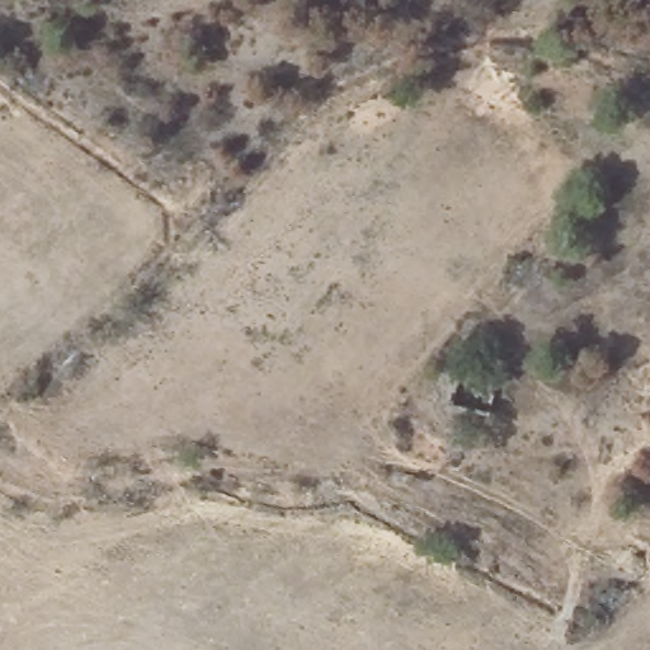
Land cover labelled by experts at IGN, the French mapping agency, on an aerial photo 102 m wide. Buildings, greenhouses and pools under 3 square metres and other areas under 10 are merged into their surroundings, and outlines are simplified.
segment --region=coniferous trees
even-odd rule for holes
[[[421,99],[424,91],[432,89],[421,71],[432,71],[434,63],[414,56],[411,74],[406,74],[399,84],[388,89],[388,99],[396,107],[411,107]]]
[[[592,86],[589,109],[594,112],[592,122],[597,132],[617,132],[627,122],[637,119],[630,104],[625,104],[617,96],[617,89],[609,91],[604,86]]]
[[[589,56],[584,46],[592,46],[594,51],[604,53],[607,46],[602,36],[612,28],[630,36],[632,43],[637,43],[642,36],[650,36],[650,0],[569,0],[574,8],[587,8],[592,28],[556,30],[554,25],[548,25],[541,36],[533,38],[531,51],[518,48],[523,53],[523,66],[536,76],[548,69],[564,69],[584,61]]]
[[[505,376],[505,371],[500,358],[495,358],[488,350],[485,340],[472,340],[467,335],[465,340],[454,333],[444,340],[439,353],[427,361],[424,373],[429,381],[437,381],[442,373],[447,373],[457,388],[465,388],[475,399],[493,404],[495,383]]]
[[[427,18],[404,23],[396,15],[391,0],[295,0],[292,25],[302,28],[302,36],[307,38],[307,56],[317,56],[317,51],[333,51],[333,43],[345,38],[350,41],[350,46],[358,46],[368,33],[388,38],[396,46],[396,51],[401,51],[404,46],[419,51],[424,41],[432,36],[434,23]]]
[[[38,18],[30,25],[30,30],[41,51],[41,58],[63,53],[63,33],[53,28],[46,18]]]
[[[523,0],[477,0],[475,5],[493,8],[498,18],[515,13]]]
[[[467,429],[454,419],[449,442],[460,444],[475,449],[490,444],[477,429]]]
[[[523,373],[538,371],[551,388],[561,394],[576,399],[597,394],[617,376],[614,368],[592,358],[587,350],[579,353],[571,371],[551,371],[551,340],[543,340],[528,345],[528,355],[523,358]]]
[[[269,104],[269,114],[264,119],[272,119],[279,132],[284,132],[300,119],[300,114],[307,112],[307,104],[322,104],[328,96],[333,96],[335,81],[333,76],[302,76],[295,63],[274,63],[262,69],[259,86]]]
[[[556,208],[551,223],[546,244],[556,246],[559,262],[579,264],[584,269],[594,264],[594,256],[571,246],[569,236],[571,223],[579,216],[594,218],[604,211],[597,201],[599,183],[581,168],[574,168],[554,196]]]
[[[211,84],[218,84],[213,66],[216,61],[226,58],[229,33],[221,25],[203,23],[203,18],[196,10],[180,10],[183,18],[170,20],[170,25],[163,33],[163,46],[147,48],[142,53],[145,58],[140,66],[145,76],[163,81],[165,91],[198,94],[206,91]]]

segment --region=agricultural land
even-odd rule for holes
[[[94,454],[140,454],[150,472],[165,465],[183,467],[180,452],[170,452],[180,437],[203,439],[213,434],[218,444],[234,452],[254,452],[272,457],[282,465],[292,465],[300,475],[320,480],[322,475],[350,475],[353,482],[373,485],[383,493],[391,490],[381,475],[381,465],[401,465],[409,470],[434,472],[449,457],[457,454],[460,444],[449,442],[454,419],[465,409],[452,401],[457,388],[447,373],[442,373],[437,381],[429,381],[424,373],[427,361],[439,353],[444,340],[454,333],[457,320],[465,312],[490,305],[495,287],[503,279],[508,256],[521,251],[518,246],[528,236],[528,231],[543,221],[551,223],[556,208],[554,196],[574,168],[559,152],[559,147],[554,152],[538,150],[538,127],[531,119],[531,112],[526,112],[521,104],[518,89],[513,86],[513,74],[498,71],[490,58],[482,58],[482,63],[475,69],[457,71],[452,89],[432,89],[424,91],[421,99],[411,107],[396,107],[388,99],[366,102],[350,122],[333,124],[317,117],[317,124],[302,132],[305,142],[284,150],[287,163],[282,168],[267,168],[254,173],[246,188],[244,206],[229,218],[223,218],[223,223],[218,226],[231,239],[231,246],[218,246],[218,251],[211,251],[206,244],[201,244],[193,251],[173,251],[173,264],[198,264],[201,269],[185,277],[183,282],[173,284],[168,289],[168,297],[152,305],[157,317],[150,322],[140,322],[135,328],[135,338],[119,338],[102,353],[102,358],[79,378],[76,391],[66,404],[63,414],[51,414],[41,399],[10,404],[0,401],[0,650],[650,650],[650,543],[645,543],[637,536],[637,526],[630,518],[612,518],[612,513],[604,505],[584,505],[581,518],[561,531],[559,551],[561,559],[569,564],[569,584],[564,594],[564,607],[556,614],[546,614],[533,607],[521,607],[500,592],[495,592],[490,584],[475,584],[452,564],[439,564],[429,556],[416,554],[414,546],[409,546],[404,554],[394,554],[388,548],[386,554],[381,554],[378,548],[361,548],[363,536],[340,536],[335,523],[355,518],[350,508],[338,508],[335,513],[320,510],[312,515],[272,515],[241,505],[208,503],[198,498],[198,493],[180,490],[160,495],[155,500],[155,508],[147,513],[132,508],[124,515],[76,513],[63,523],[53,523],[46,513],[25,513],[28,503],[33,500],[63,508],[69,503],[86,503],[86,495],[81,495],[84,485],[99,477],[99,470],[86,467]],[[414,427],[411,452],[401,452],[396,447],[399,434],[394,429],[394,419],[399,416],[409,419]]]
[[[79,150],[56,140],[51,132],[36,127],[25,114],[10,114],[8,119],[0,119],[0,394],[15,378],[20,378],[23,368],[33,368],[43,353],[51,353],[56,343],[63,338],[63,333],[74,330],[81,317],[102,317],[112,310],[112,305],[119,305],[124,300],[117,292],[119,282],[147,259],[150,249],[155,246],[163,231],[160,216],[152,206],[137,201],[127,185],[122,185],[109,173],[102,173],[96,163],[84,157]]]

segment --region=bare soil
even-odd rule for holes
[[[394,419],[394,429],[399,434],[396,447],[401,452],[411,452],[414,427],[409,419],[399,416]]]
[[[63,338],[56,343],[51,353],[43,353],[33,368],[23,368],[20,378],[15,378],[0,394],[0,401],[10,404],[41,399],[51,414],[63,414],[66,404],[76,391],[79,378],[102,358],[102,353],[119,338],[135,338],[135,328],[140,322],[150,322],[157,317],[152,305],[168,297],[168,289],[173,284],[183,282],[185,277],[201,269],[198,264],[173,264],[173,251],[193,251],[201,244],[206,244],[211,251],[218,251],[218,246],[231,246],[231,239],[218,226],[223,223],[223,218],[229,218],[244,206],[246,188],[254,173],[267,168],[282,168],[287,163],[284,150],[305,142],[302,132],[317,124],[317,117],[333,124],[350,122],[366,102],[388,99],[388,89],[399,84],[406,74],[411,74],[414,56],[434,63],[432,71],[421,71],[432,89],[452,89],[457,71],[475,69],[482,63],[482,58],[490,58],[498,71],[513,74],[513,86],[518,89],[521,104],[526,112],[531,112],[531,119],[538,127],[538,150],[554,152],[559,147],[559,152],[574,168],[581,168],[599,183],[597,201],[604,211],[594,218],[579,216],[571,223],[569,236],[571,246],[594,256],[594,264],[584,269],[579,264],[559,262],[556,246],[546,244],[551,223],[543,221],[528,231],[528,236],[518,246],[521,251],[508,256],[503,279],[495,287],[490,305],[465,312],[457,320],[454,333],[465,340],[467,335],[472,340],[485,340],[488,350],[495,358],[500,358],[505,371],[505,376],[495,383],[493,404],[475,399],[465,388],[457,388],[452,401],[465,409],[454,419],[467,429],[477,429],[490,444],[475,449],[460,444],[457,454],[449,457],[434,472],[409,470],[401,465],[381,465],[381,475],[391,490],[383,493],[373,485],[353,482],[350,475],[322,475],[320,480],[300,475],[292,465],[282,465],[272,457],[254,452],[234,452],[218,444],[213,434],[203,439],[180,437],[170,452],[180,452],[183,467],[165,465],[150,472],[140,454],[94,454],[86,467],[99,470],[99,477],[84,485],[81,495],[86,495],[86,503],[69,503],[63,508],[33,500],[28,503],[25,513],[46,513],[53,523],[63,523],[76,513],[124,515],[132,508],[147,513],[155,508],[155,500],[160,495],[180,490],[198,493],[198,498],[208,503],[241,505],[272,515],[312,515],[320,510],[335,513],[338,508],[350,508],[355,518],[335,523],[340,536],[363,536],[361,548],[378,548],[381,554],[386,554],[388,548],[394,554],[404,554],[409,546],[414,536],[427,536],[427,531],[437,531],[442,541],[449,541],[457,548],[457,561],[452,564],[475,584],[490,584],[495,592],[500,592],[521,607],[533,607],[546,614],[556,614],[564,607],[564,594],[569,584],[569,564],[561,559],[559,551],[561,531],[581,518],[584,505],[604,505],[612,513],[612,518],[630,518],[637,526],[637,536],[645,543],[650,543],[650,36],[642,36],[637,43],[632,43],[630,36],[612,28],[602,36],[607,46],[604,53],[594,51],[592,46],[584,46],[589,56],[584,61],[564,69],[548,69],[536,76],[523,66],[523,53],[518,48],[531,51],[533,38],[541,36],[548,25],[554,25],[556,30],[592,28],[587,8],[574,8],[569,0],[523,0],[515,13],[498,18],[493,8],[475,5],[477,0],[391,0],[396,15],[404,23],[427,18],[434,23],[432,36],[424,41],[419,51],[404,46],[401,51],[396,51],[396,46],[388,38],[368,33],[358,46],[350,46],[350,41],[345,38],[333,43],[333,51],[317,51],[317,56],[307,56],[307,38],[302,36],[302,28],[292,25],[295,0],[0,0],[0,119],[8,119],[10,114],[25,114],[36,127],[51,132],[56,140],[79,150],[84,157],[96,163],[102,173],[109,173],[122,185],[127,185],[137,201],[152,206],[160,216],[163,231],[155,246],[150,249],[147,259],[119,282],[117,292],[124,300],[119,305],[112,305],[112,310],[102,317],[81,317],[74,330],[63,333]],[[203,18],[203,23],[221,25],[229,33],[226,58],[216,61],[213,66],[218,84],[211,84],[206,91],[198,94],[165,91],[163,81],[145,76],[140,66],[145,58],[142,53],[147,48],[163,46],[163,33],[170,25],[170,20],[183,18],[180,10],[196,10]],[[41,58],[41,51],[30,30],[30,25],[38,18],[46,18],[53,28],[63,33],[63,53]],[[322,104],[307,104],[307,112],[300,114],[300,119],[284,132],[279,132],[272,119],[264,119],[269,114],[269,104],[259,86],[262,69],[274,63],[295,63],[302,76],[333,76],[335,81],[333,96],[328,96]],[[617,132],[597,132],[592,122],[594,112],[589,109],[592,86],[604,86],[609,91],[617,89],[617,96],[625,104],[630,104],[637,119],[627,122]],[[597,394],[576,399],[561,394],[551,388],[538,371],[523,373],[523,358],[528,355],[528,345],[543,340],[551,340],[551,371],[571,371],[579,353],[587,350],[592,358],[614,368],[617,376]]]

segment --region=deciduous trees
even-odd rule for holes
[[[457,548],[449,541],[442,541],[437,531],[427,531],[427,536],[414,536],[409,546],[414,546],[416,554],[429,556],[439,564],[452,564],[457,561]]]

